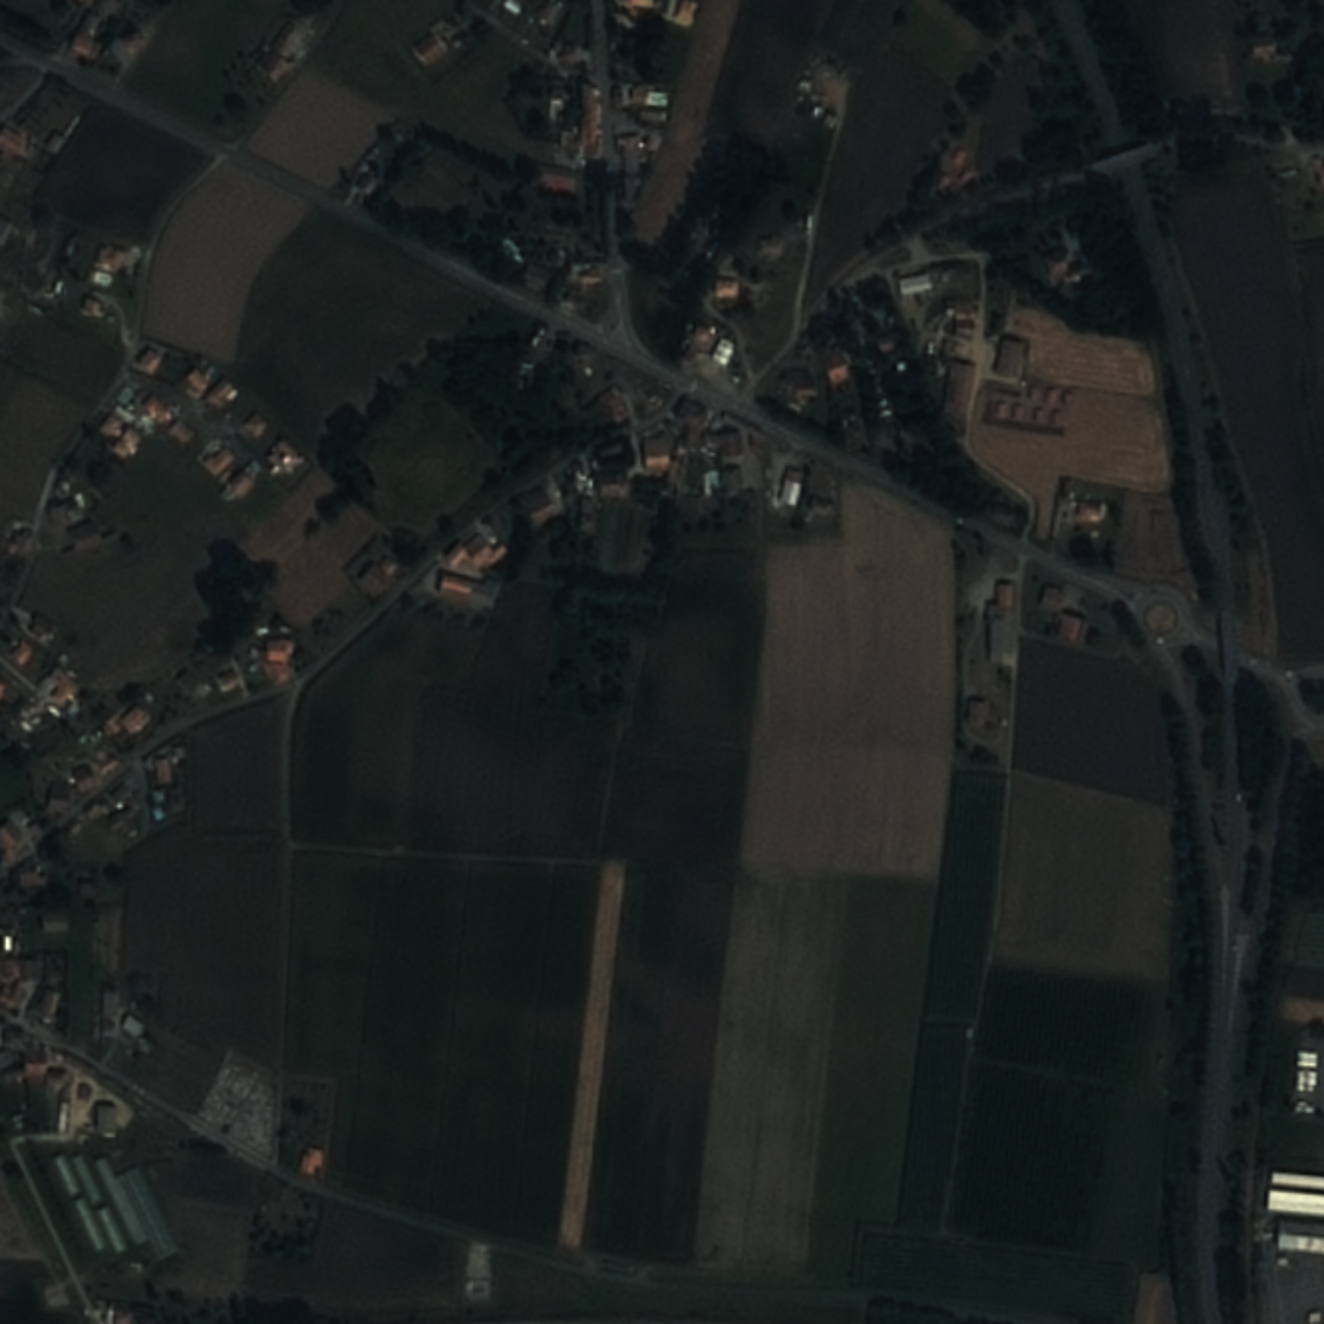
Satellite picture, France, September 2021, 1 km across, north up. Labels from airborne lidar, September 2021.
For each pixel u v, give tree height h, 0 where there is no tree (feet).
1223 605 0
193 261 0
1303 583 0
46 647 0
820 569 0
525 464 39
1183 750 44
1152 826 0
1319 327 0
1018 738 0
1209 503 0
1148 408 0
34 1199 0
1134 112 47
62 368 0
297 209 0
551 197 33
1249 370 0
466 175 0
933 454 74
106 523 0
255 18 0
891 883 0
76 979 0
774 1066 0
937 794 0
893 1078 0
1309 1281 0
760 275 27
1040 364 0
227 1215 0
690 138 0
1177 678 0
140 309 0
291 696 0
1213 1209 0
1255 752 56
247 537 0
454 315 0
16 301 0
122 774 0
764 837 0
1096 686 0
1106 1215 0
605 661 37
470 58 0
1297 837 55
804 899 0
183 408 0
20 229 0
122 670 0
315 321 0
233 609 62
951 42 0
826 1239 0
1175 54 0
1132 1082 0
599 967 0
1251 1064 32
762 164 56
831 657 0
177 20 0
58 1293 0
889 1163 0
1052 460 0
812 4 0
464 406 34
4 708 20
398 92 0
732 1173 0
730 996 0
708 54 0
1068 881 0
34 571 0
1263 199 0
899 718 0
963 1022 0
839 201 0
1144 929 0
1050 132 47
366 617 0
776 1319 0
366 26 0
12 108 0
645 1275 0
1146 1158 0
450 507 0
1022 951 0
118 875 36
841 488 0
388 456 0
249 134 0
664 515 40
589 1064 0
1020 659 0
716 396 0
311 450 0
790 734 0
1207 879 33
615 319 0
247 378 0
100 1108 0
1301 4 47
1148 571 0
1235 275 0
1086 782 0
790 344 0
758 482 0
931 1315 29
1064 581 0
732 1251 0
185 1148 21
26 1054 0
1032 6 63
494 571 19
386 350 0
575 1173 0
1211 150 57
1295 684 0
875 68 0
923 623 0
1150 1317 0
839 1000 0
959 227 41
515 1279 0
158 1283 0
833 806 0
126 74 0
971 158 0
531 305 0
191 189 0
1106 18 53
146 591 0
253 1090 0
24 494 0
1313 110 34
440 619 20
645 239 0
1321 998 0
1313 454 0
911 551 0
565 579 26
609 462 44
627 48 34
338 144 0
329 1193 0
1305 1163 0
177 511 0
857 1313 0
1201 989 36
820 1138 0
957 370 0
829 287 0
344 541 0
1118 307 50
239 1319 47
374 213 55
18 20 38
